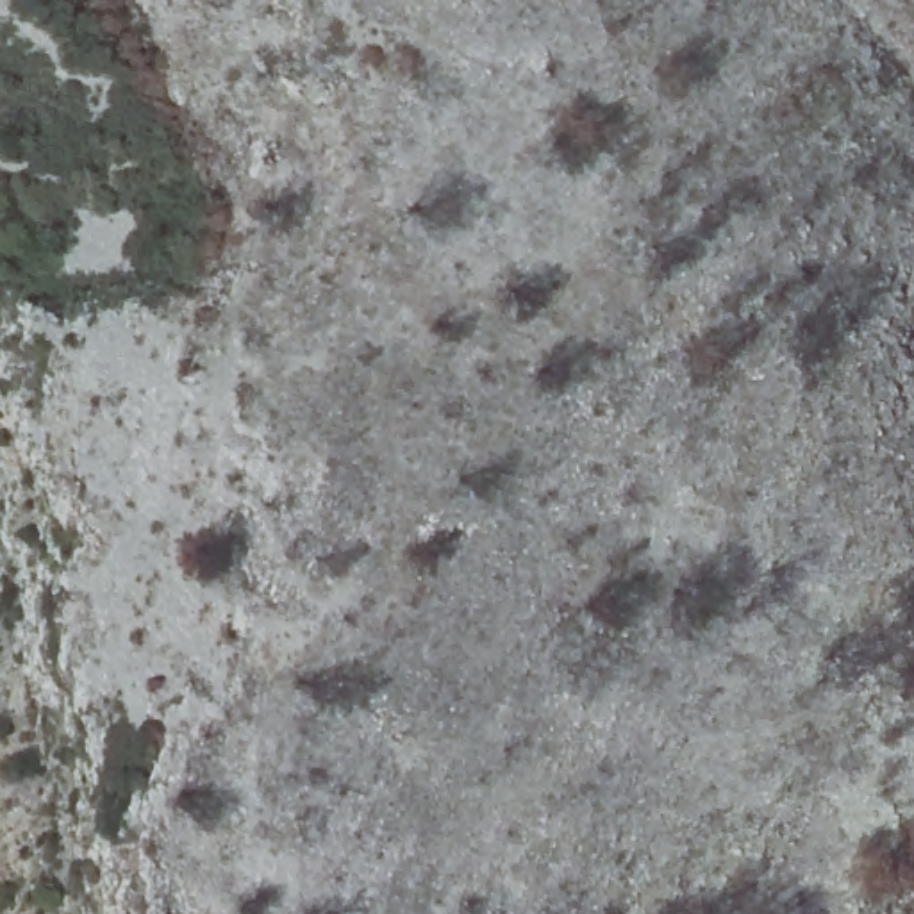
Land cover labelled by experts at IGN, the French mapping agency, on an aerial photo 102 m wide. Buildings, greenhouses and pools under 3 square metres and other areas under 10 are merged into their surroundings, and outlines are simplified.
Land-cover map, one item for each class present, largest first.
<instances>
[{"label":"bare soil","instance_id":"1","mask_svg":"<svg viewBox=\"0 0 914 914\"><path fill-rule=\"evenodd\" d=\"M14 29L21 39H29L36 50L50 57L57 82H82L86 107L93 118H100L111 104V79L64 68L57 39L46 29L25 21L14 11V0H0V36ZM150 18L154 43L168 54L171 100L193 111L182 121V139L193 150V171L200 182L225 186L232 200V229L239 232V246H225L218 261H207L204 293L171 296L157 311L132 300L114 311H104L89 300L75 318H54L50 311L25 303L11 289L0 293V750H36L43 760L39 778L0 785V875H39L46 864L39 835L61 832L57 882L71 875V860H96L100 882H86V893H93L100 907L86 910L79 900L64 896L61 907H54L50 914H914V0H136ZM121 721H164V743L150 771V789L132 793L118 835L104 839L93 800L104 768L107 728ZM136 229V218L129 211H79V239L64 253V271H129L132 261L121 246Z\"/></svg>","mask_w":914,"mask_h":914},{"label":"brushwood","instance_id":"2","mask_svg":"<svg viewBox=\"0 0 914 914\"><path fill-rule=\"evenodd\" d=\"M14 11L25 21L46 29L57 39L64 68L111 79V104L100 118H93L86 107L82 82H57L50 57L36 50L29 39H21L14 29L0 36V293L11 289L25 303L50 311L54 318H75L89 300L104 311H114L132 300L157 311L171 296L204 293L207 261H218L225 246H239V232L232 229V200L225 186L200 182L193 171V150L182 139V121L193 111L171 100L168 54L154 43L150 18L136 0H14ZM79 211H129L136 218V229L121 246L132 261L129 271H64V253L79 239ZM164 743V721H121L107 728L104 768L93 800L104 839L118 835L132 793L150 789V771ZM43 760L36 750H0V785L39 778ZM46 864L39 875H0V914H50L54 907H61L64 896L79 900L86 910L100 907L93 893H86V882H100L96 860H71V875L57 882L61 832L39 835Z\"/></svg>","mask_w":914,"mask_h":914}]
</instances>
